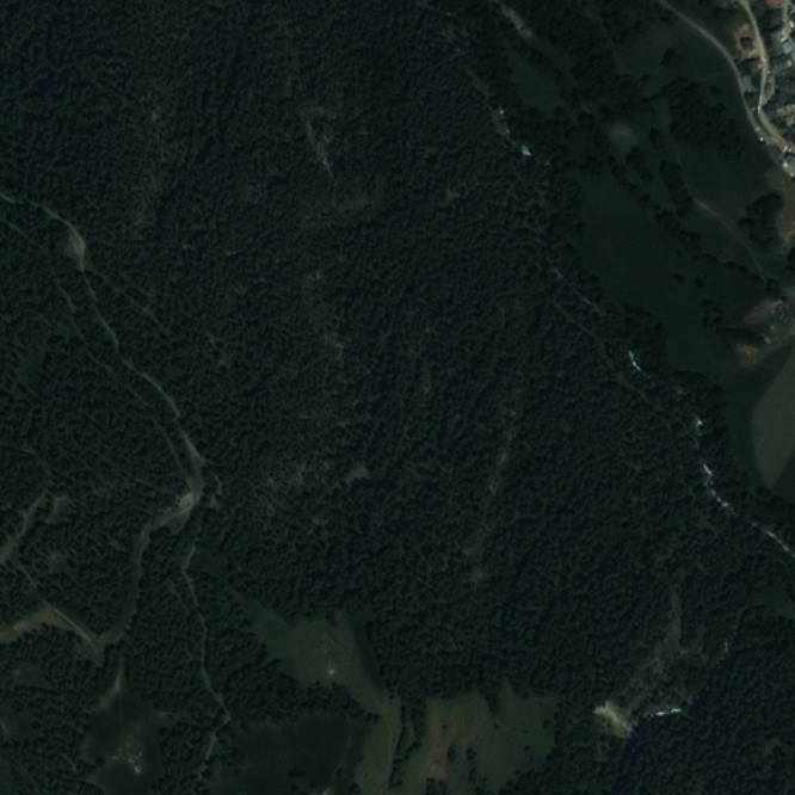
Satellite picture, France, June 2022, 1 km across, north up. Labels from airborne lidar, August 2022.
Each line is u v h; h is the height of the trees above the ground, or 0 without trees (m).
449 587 32
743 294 0
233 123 23
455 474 10
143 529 22
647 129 0
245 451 25
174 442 22
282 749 0
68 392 25
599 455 32
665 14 14
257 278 30
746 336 21
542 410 32
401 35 24
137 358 33
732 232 0
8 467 11
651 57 0
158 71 26
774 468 0
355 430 21
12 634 0
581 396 21
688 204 20
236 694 31
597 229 0
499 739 0
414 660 35
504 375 25
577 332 28
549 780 16
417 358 21
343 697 14
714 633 33
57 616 0
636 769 36
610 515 24
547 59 22
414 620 19
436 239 31
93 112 7
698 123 23
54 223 12
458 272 29
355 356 26
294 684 23
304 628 0
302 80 19
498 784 0
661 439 27
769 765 26
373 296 25
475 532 31
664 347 28
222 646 33
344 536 27
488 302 30
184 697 20
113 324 14
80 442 27
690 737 23
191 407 20
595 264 0
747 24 0
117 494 12
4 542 24
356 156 15
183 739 26
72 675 23
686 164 0
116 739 0
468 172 28
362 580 35
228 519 7
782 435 0
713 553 27
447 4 17
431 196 29
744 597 30
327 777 0
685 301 0
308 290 12
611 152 20
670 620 13
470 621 27
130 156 22
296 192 27
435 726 0
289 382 12
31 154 28
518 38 26
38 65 33
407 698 27
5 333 27
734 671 29
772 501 18
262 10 27
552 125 22
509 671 22
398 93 14
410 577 21
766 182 0
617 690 31
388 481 12
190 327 29
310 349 22
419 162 29
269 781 0
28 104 37
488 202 25
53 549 26
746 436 0
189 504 0
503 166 29
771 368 0
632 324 17
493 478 15
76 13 26
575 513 34
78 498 15
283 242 28
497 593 30
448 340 29
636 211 0
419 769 0
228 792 0
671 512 31
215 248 26
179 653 25
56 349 28
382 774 0
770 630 14
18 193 26
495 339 27
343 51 17
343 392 22
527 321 14
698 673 32
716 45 0
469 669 19
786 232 0
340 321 9
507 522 27
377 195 13
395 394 29
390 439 26
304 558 33
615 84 25
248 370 30
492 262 29
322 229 11
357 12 34
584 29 34
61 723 28
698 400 23
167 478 21
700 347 0
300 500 27
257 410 15
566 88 22
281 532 27
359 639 0
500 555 29
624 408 30
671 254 0
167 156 18
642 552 10
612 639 32
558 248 25
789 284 0
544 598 15
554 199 21
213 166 27
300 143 25
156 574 28
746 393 0
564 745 23
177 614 13
